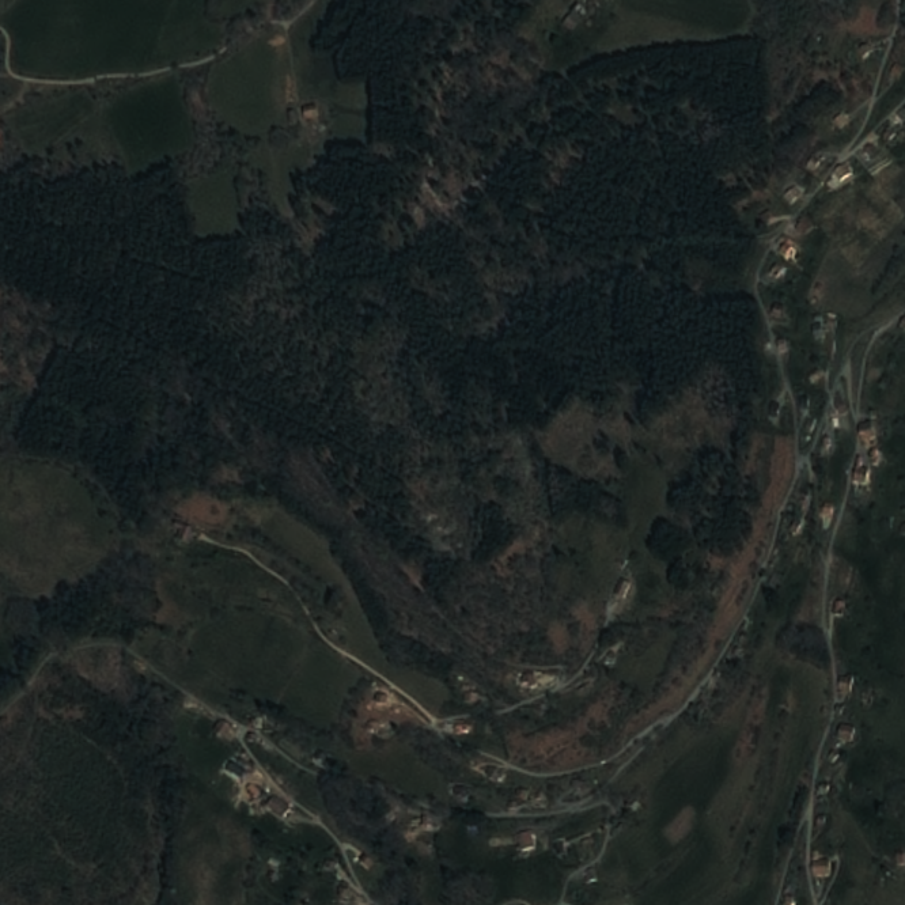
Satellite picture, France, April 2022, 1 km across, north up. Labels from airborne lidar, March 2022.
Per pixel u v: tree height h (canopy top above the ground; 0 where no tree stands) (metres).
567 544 0
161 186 18
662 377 35
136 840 6
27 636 13
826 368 0
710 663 0
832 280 0
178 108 0
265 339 19
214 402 31
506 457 10
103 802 7
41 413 25
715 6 0
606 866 0
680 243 32
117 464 32
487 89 18
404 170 27
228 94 0
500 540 18
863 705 6
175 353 22
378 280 25
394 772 0
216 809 0
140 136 0
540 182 29
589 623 0
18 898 22
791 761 0
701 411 0
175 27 0
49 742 8
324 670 0
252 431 20
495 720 19
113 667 0
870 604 8
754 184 18
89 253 14
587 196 29
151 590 17
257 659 0
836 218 0
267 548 9
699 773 0
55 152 10
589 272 27
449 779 6
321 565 0
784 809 0
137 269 17
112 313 17
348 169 29
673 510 17
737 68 24
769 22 11
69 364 29
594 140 25
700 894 0
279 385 21
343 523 27
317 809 0
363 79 22
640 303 34
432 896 0
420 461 19
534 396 16
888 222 0
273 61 0
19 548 0
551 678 0
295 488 26
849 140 0
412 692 0
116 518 7
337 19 26
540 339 27
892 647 0
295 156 0
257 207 18
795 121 17
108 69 0
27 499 0
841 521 0
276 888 0
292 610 0
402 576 27
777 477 0
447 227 14
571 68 0
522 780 0
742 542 17
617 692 9
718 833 0
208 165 11
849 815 0
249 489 13
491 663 18
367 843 25
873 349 0
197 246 17
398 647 21
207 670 0
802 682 0
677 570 17
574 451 0
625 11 0
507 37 27
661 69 23
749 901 0
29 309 23
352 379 20
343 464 22
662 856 0
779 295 12
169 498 19
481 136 28
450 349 22
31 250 16
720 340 31
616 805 14
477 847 0
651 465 0
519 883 0
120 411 26
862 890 0
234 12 0
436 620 21
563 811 0
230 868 0
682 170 28
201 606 0
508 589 14
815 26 7
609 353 29
